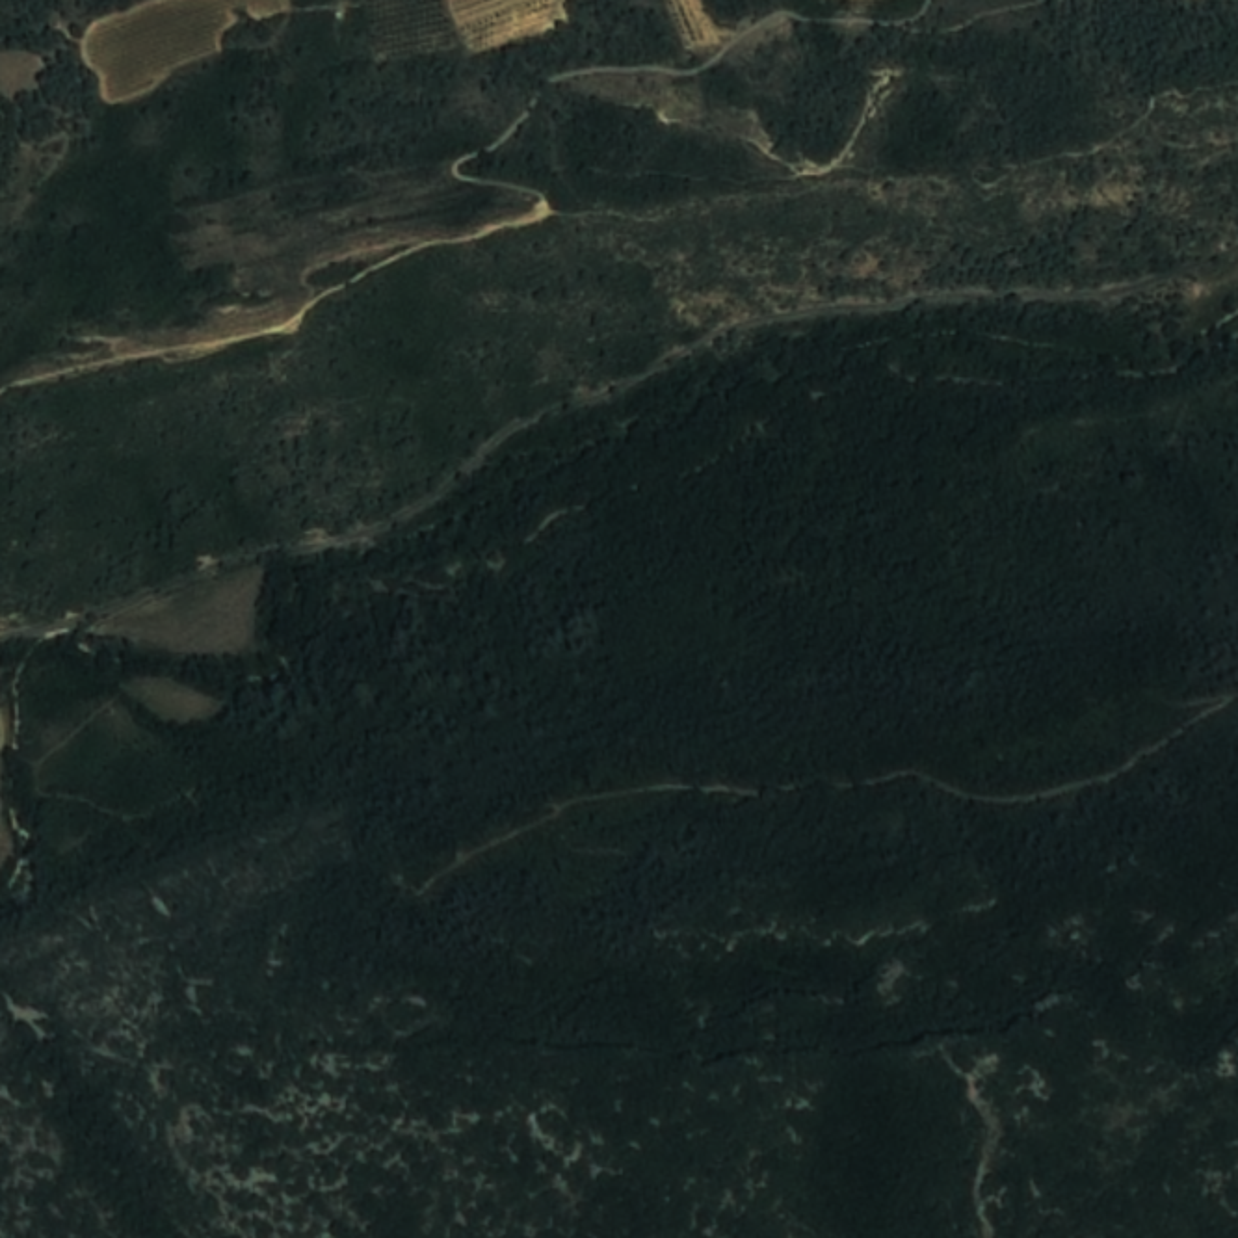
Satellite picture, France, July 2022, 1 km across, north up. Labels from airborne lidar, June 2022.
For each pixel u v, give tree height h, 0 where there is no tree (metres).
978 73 9
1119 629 7
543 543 6
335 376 7
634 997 10
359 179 0
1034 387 12
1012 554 7
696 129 0
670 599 14
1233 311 17
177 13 0
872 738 7
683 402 9
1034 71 7
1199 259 7
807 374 17
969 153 7
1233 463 9
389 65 8
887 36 15
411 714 7
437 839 6
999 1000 7
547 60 11
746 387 20
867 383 11
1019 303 20
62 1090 7
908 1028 10
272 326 0
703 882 6
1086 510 7
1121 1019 11
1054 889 9
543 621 10
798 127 10
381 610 12
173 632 0
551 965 11
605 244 0
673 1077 7
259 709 7
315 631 10
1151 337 10
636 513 13
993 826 5
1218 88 11
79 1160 8
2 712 0
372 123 9
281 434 7
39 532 11
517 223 0
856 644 9
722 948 12
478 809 7
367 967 9
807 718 7
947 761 7
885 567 10
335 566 15
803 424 10
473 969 12
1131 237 15
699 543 12
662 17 11
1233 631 8
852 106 9
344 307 6
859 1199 6
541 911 8
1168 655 8
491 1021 11
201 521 13
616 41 10
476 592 8
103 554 10
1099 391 11
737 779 7
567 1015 10
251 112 10
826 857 7
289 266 0
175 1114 0
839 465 8
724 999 8
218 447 8
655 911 8
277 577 19
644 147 7
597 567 8
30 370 0
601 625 14
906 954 11
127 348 0
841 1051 11
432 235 0
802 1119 7
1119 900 8
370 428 8
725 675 8
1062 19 9
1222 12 18
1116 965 9
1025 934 6
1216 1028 10
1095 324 13
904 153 5
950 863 9
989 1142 0
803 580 8
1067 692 8
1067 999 13
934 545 11
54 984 0
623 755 6
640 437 15
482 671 7
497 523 6
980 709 10
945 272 10
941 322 10
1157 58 12
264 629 6
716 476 12
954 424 14
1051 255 21
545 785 6
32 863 13
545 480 7
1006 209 0
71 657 14
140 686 0
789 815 7
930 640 9
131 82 0
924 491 13
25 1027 11
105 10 9
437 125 9
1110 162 10
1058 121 7
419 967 8
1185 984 6
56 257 7
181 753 9
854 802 9
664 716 9
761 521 10
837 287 12
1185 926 5
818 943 9
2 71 0
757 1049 6
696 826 9
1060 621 6
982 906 14
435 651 18
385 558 15
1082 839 6
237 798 8
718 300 0
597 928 15
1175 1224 0
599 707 8
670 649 13
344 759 9
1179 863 10
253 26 7
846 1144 9
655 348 9
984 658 7
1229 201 9
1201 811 10
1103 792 8
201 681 14
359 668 11
